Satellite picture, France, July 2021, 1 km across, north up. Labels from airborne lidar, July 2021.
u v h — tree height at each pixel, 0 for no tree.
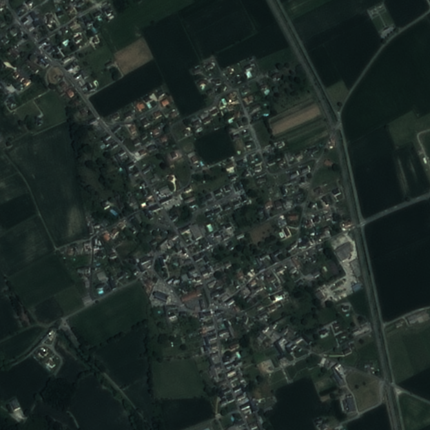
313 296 6
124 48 0
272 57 0
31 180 0
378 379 0
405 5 0
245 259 7
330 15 0
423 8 0
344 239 0
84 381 0
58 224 0
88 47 0
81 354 10
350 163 0
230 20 0
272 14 0
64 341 0
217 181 0
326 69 0
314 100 0
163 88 0
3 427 21
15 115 0
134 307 0
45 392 18
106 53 0
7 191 0
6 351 0
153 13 0
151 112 0
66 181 0
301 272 0
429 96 0
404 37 0
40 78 7
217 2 0
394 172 0
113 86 0
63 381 23
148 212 0
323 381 0
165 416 0
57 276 0
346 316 0
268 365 0
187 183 0
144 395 0
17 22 0
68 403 22
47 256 0
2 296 0
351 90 0
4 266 0
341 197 0
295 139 0
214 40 0
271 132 11
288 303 0
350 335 8
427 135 0
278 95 12
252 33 0
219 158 0
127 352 0
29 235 0
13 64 7
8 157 0
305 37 0
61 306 0
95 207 11
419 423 0
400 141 0
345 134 0
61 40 16
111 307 0
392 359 0
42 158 0
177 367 0
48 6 0
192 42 0
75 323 0
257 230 0
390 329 0
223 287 7
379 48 0
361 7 0
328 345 0
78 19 8
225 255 8
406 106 0
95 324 0
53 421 13
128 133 0
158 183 0
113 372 0
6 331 0
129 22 0
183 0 0
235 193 0
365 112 0
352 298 0
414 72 0
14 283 0
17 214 0
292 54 0
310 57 0
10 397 0
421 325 0
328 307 15
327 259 6
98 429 0
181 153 0
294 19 0
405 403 0
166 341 7
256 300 7
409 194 0
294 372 0
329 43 0
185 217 9
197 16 0
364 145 0
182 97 0
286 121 0
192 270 0
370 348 0
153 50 0
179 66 0
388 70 0
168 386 0
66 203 0
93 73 6
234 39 0
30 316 7
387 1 0
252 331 6
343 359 12
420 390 0
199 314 0
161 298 0
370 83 0
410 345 0
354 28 0
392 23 0
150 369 10
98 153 0
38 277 0
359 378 0
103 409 0
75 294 0
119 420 0
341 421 0
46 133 0
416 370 0
